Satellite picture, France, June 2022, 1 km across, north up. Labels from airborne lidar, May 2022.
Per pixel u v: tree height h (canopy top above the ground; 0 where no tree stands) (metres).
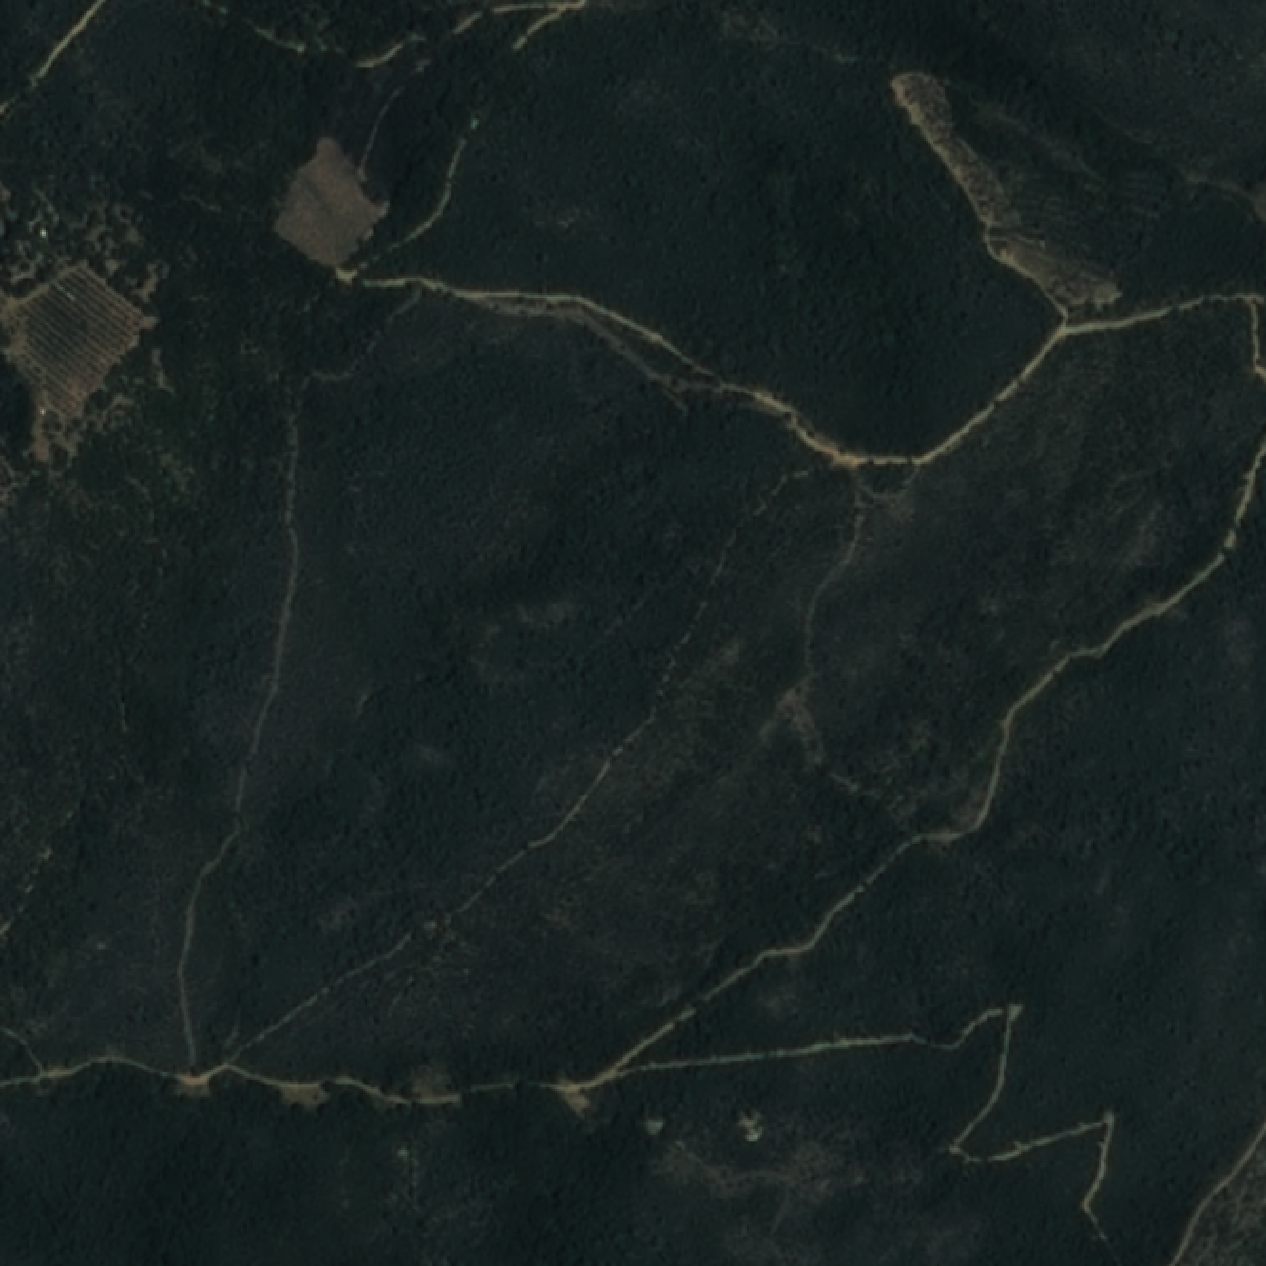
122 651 10
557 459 9
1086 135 12
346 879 8
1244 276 7
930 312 12
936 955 6
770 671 6
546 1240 14
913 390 8
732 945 5
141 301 9
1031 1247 6
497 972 6
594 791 0
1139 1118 7
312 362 6
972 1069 6
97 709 8
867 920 9
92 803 10
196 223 9
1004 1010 8
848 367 8
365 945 7
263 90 13
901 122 6
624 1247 10
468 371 6
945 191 9
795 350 9
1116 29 6
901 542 8
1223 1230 6
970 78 9
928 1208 5
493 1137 8
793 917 6
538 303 0
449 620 7
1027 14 7
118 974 0
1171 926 8
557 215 6
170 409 9
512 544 6
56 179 7
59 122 6
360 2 12
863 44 9
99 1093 8
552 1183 7
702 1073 8
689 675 6
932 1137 7
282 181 11
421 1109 9
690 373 6
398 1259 6
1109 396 8
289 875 9
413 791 8
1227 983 0
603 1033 7
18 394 11
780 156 16
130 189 9
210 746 7
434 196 7
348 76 12
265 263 9
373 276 7
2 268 6
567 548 13
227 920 7
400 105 7
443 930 6
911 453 7
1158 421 10
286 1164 7
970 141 8
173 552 8
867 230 11
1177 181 12
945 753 7
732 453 8
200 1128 6
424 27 13
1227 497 6
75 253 10
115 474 9
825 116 8
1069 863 12
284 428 9
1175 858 13
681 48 7
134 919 6
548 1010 6
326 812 7
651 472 8
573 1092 0
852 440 6
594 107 6
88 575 8
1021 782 6
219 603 9
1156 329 10
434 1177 7
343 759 6
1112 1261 7
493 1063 6
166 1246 6
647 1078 6
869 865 7
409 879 10
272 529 6
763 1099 7
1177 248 6
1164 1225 6
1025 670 8
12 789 6
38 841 8
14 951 7
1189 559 7
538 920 6
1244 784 8
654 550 8
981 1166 7
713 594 6
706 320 8
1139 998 7
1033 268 0
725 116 6
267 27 11
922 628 7
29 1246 8
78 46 7
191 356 6
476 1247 6
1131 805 7
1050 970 6
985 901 6
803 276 9
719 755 6
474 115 10
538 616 0
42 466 8
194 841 8
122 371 10
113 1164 8
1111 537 8
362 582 6
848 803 6
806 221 15
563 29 9
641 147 6
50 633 6
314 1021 0
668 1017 7
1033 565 8
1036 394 7
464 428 6
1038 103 13
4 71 14
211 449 9
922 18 13
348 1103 8
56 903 8
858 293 8
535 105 9
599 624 9
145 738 8
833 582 0
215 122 11
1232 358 8
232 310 7
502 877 7
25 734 8
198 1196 9
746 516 7
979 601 6
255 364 12
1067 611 8
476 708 7
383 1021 10
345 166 0
